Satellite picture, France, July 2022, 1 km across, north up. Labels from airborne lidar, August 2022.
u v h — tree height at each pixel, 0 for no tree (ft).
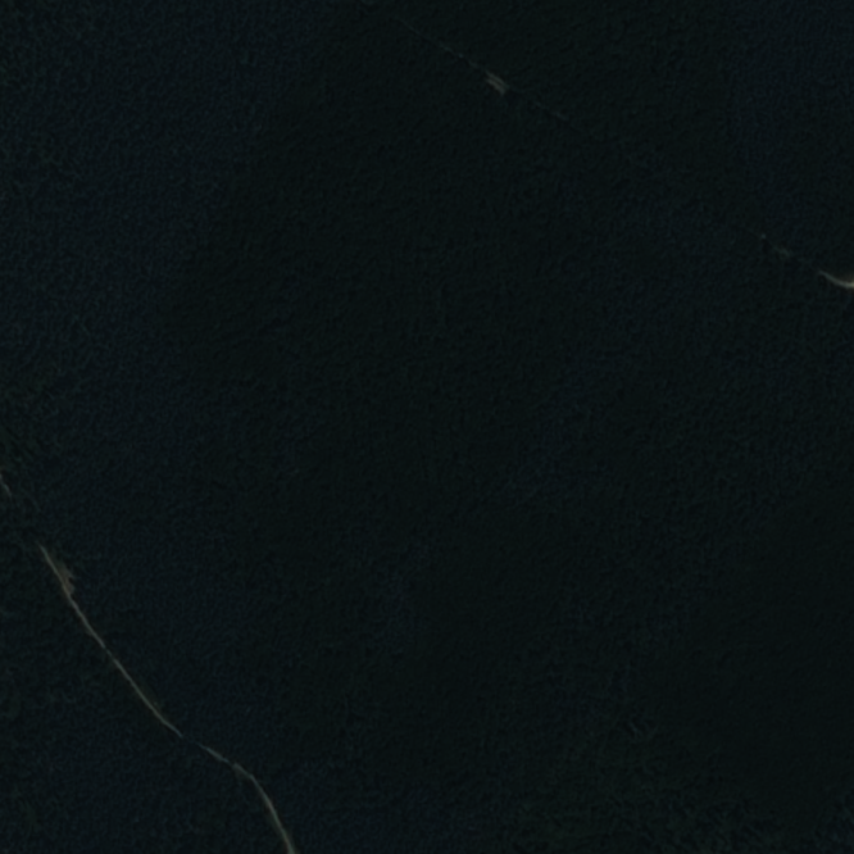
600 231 83
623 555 68
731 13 96
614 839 23
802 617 48
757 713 51
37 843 79
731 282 79
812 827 52
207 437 52
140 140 97
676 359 68
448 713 61
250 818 75
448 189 65
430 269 60
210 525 88
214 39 98
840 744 45
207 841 57
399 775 61
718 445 55
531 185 68
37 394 104
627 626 69
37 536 73
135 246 107
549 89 59
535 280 82
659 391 76
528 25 54
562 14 38
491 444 64
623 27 47
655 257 70
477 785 76
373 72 69
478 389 65
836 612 39
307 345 62
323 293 64
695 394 69
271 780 48
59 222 101
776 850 32
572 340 76
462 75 59
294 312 61
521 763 69
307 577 71
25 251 100
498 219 75
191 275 62
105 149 87
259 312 57
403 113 61
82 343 101
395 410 51
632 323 65
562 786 35
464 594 56
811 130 71
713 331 80
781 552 44
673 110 71
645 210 85
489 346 79
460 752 65
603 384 70
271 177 75
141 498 71
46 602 62
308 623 63
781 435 62
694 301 88
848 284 0
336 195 74
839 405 75
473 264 78
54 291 96
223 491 63
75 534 80
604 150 71
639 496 70
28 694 63
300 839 82
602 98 81
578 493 72
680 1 64
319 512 59
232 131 88
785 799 46
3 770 38
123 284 106
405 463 58
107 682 68
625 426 47
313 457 59
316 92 62
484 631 56
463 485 58
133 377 63
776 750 44
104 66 111
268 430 62
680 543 72
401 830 86
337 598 68
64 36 104
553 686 57
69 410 91
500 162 74
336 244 66
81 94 104
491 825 74
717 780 36
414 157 70
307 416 75
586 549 60
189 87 89
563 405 92
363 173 65
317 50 60
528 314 76
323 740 60
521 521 47
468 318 77
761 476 61
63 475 93
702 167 46
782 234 86
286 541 62
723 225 76
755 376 72
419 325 55
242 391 64
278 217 67
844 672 54
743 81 89
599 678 65
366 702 64
